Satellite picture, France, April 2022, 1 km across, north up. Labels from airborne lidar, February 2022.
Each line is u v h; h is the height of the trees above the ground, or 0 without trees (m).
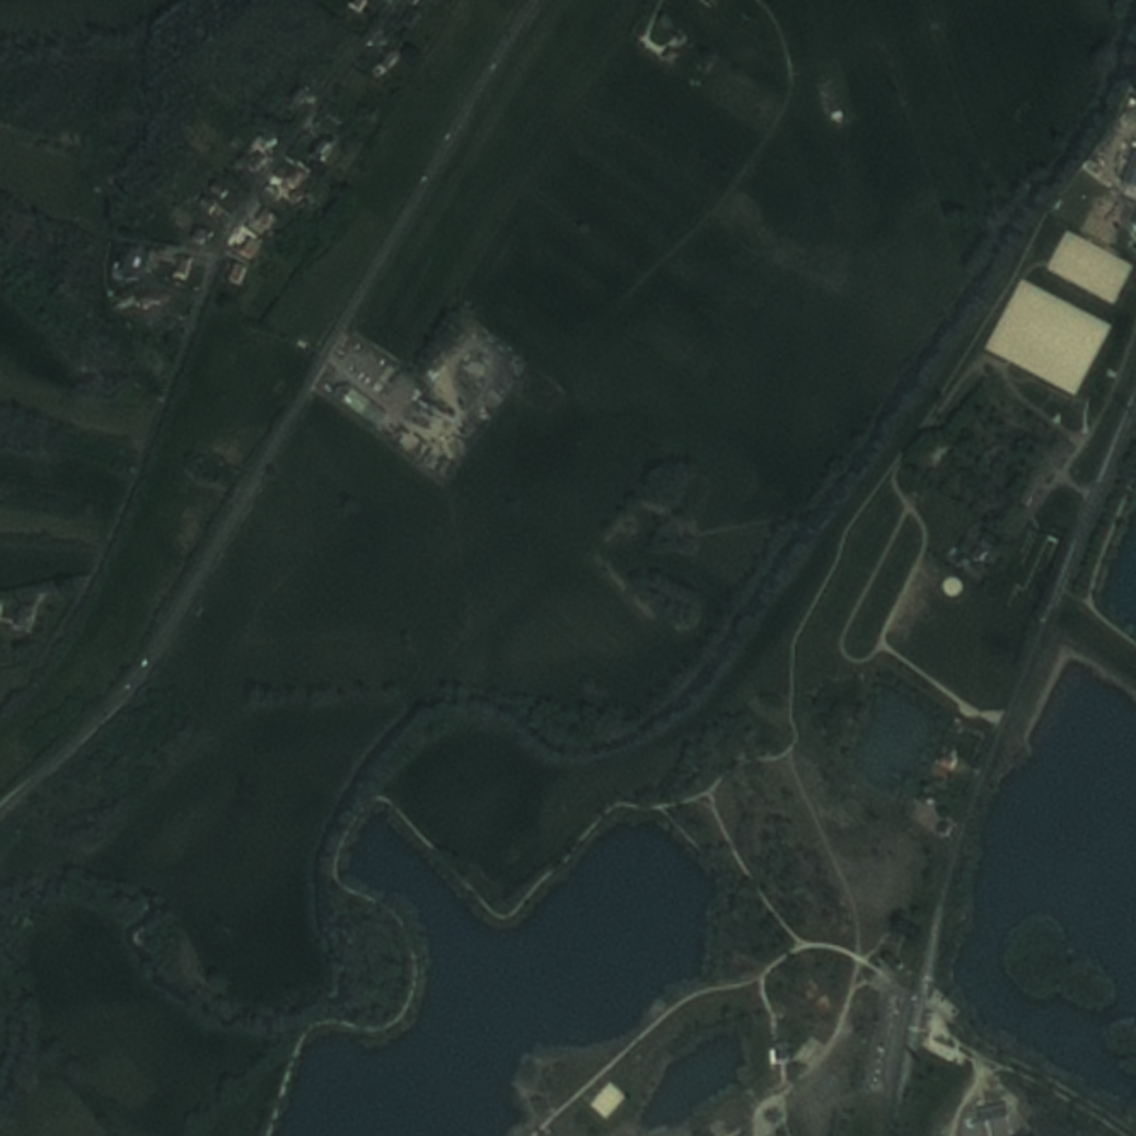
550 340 0
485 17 0
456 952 0
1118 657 0
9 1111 11
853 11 0
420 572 0
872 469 0
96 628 0
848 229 0
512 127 0
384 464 0
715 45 0
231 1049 0
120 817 13
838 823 0
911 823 0
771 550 15
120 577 0
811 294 0
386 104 0
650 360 0
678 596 22
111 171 0
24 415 16
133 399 13
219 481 9
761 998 0
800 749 0
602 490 0
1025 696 0
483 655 0
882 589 0
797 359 0
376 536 0
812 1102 0
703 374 0
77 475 0
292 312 0
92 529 0
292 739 0
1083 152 7
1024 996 0
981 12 0
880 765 0
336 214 18
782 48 0
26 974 11
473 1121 0
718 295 0
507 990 0
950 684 0
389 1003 19
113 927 0
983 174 0
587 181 0
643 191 0
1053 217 0
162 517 0
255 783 0
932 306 0
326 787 0
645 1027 0
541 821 0
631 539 0
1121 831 0
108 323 8
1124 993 0
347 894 18
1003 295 0
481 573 0
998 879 0
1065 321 0
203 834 0
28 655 19
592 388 0
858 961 0
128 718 8
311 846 0
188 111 16
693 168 0
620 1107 0
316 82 0
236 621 0
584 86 0
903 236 0
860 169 0
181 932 9
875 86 0
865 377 0
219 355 0
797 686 0
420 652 0
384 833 0
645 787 0
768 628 0
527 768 0
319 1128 0
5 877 0
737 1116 0
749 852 14
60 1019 0
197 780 0
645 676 0
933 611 0
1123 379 0
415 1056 0
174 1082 0
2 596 10
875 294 0
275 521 0
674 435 0
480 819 0
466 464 0
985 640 0
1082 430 0
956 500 9
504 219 0
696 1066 0
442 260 0
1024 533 0
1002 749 0
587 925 0
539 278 0
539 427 0
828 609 0
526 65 0
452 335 12
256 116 11
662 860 0
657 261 0
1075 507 0
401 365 0
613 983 0
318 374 0
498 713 18
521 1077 0
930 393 0
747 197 0
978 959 0
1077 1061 0
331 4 0
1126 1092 0
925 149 0
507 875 0
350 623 0
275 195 6
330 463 0
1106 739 0
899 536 0
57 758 0
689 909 0
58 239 11
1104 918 0
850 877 0
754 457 0
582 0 0
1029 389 0
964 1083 0
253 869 0
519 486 0
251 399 0
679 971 0
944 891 0
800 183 0
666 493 22
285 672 0
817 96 0
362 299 0
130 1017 0
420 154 0
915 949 14
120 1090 0
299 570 0
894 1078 0
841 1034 0
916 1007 0
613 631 0
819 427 0
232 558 0
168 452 0
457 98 0
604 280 0
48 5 0
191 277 0
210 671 0
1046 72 0
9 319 0
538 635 0
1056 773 0
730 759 0
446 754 0
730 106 0
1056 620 0
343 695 11
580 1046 0
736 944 23
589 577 0
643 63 0
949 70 0
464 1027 0
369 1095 0
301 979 0
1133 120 0
